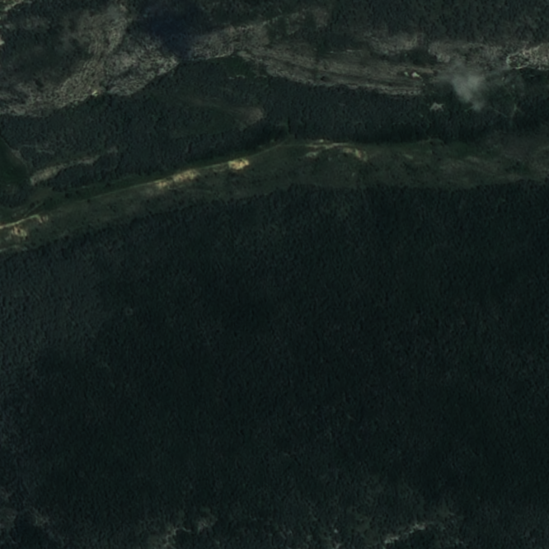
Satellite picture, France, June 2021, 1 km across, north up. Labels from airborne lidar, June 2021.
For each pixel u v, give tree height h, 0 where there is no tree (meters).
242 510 9
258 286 13
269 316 15
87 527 10
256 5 7
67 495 11
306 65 0
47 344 9
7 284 10
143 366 12
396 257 15
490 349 15
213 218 13
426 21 6
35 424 9
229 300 15
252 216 13
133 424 12
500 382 19
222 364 16
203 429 15
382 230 16
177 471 11
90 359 12
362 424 18
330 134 11
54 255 9
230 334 15
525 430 18
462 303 20
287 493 7
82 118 8
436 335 17
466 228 14
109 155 11
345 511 7
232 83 7
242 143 13
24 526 15
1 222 0
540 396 17
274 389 16
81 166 10
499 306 14
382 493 7
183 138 14
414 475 15
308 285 17
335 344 14
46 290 7
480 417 21
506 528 10
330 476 11
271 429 14
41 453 12
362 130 13
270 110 9
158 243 12
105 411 10
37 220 0
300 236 11
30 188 10
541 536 9
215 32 0
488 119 10
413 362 18
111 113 15
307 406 16
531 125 12
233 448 14
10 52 7
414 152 0
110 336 13
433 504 7
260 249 9
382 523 7
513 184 7
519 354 17
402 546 17
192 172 0
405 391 19
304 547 8
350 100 12
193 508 11
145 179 0
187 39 0
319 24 0
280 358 13
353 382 13
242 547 8
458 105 8
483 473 20
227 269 15
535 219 11
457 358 18
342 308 15
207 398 17
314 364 14
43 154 6
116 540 11
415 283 15
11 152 0
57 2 8
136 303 12
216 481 16
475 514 9
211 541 8
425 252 12
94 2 10
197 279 10
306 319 16
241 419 14
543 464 13
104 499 11
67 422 10
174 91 9
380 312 19
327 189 10
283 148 0
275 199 10
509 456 14
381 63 0
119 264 10
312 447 14
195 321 12
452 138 10
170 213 10
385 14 10
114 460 13
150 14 7
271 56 0
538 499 10
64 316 11
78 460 14
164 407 11
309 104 10
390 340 18
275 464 13
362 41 0
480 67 6
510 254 12
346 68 0
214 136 13
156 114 9
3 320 12
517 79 6
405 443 18
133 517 10
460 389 20
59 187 10
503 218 12
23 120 10
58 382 13
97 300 13
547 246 18
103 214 0
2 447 9
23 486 6
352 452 15
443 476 14
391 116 12
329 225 9
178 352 15
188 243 13
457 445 16
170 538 6
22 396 12
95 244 11
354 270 12
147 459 10
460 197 9
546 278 16
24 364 14
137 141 9
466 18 6
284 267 13
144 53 0
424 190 13
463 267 16
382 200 14
